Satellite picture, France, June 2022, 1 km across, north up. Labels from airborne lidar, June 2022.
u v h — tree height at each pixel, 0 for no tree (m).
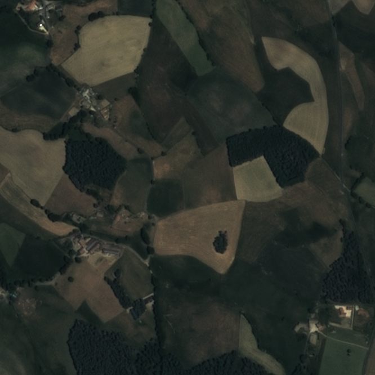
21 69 0
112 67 0
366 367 0
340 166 0
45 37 0
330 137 0
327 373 0
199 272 0
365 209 0
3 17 0
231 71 0
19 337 0
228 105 0
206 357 0
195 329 0
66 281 0
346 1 0
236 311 0
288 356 0
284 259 0
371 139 0
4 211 0
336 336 0
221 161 0
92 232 13
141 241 0
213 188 0
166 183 0
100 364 23
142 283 0
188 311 0
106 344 24
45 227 0
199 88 0
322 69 0
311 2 0
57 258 0
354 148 0
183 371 28
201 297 0
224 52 0
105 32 0
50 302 0
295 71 0
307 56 0
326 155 0
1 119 0
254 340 0
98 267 0
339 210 0
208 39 0
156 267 0
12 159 0
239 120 0
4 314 0
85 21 0
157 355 19
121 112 0
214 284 0
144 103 0
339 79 0
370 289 16
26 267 0
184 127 0
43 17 7
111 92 0
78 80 0
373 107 0
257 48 0
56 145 0
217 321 0
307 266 0
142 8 0
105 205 0
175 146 0
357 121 0
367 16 0
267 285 0
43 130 0
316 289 0
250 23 0
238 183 0
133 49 0
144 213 0
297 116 0
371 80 0
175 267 0
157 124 0
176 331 0
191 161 0
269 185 0
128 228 0
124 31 0
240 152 20
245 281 0
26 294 0
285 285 0
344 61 0
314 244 0
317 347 0
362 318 0
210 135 0
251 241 0
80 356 24
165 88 0
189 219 0
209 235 0
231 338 0
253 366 18
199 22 0
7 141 0
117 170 23
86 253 0
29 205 0
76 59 0
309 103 0
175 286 0
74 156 24
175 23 0
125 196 0
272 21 0
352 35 0
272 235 0
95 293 0
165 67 0
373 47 0
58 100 0
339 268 15
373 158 0
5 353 0
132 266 0
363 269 14
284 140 23
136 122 0
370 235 0
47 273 0
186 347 0
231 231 0
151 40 0
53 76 0
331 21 0
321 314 0
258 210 0
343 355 0
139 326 0
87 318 0
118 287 12
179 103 0
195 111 0
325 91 0
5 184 0
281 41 0
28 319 0
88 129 0
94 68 0
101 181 20
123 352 23
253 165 0
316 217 0
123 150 0
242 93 0
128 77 0
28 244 0
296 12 0
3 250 0
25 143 0
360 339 0
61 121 0
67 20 0
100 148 27
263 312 0
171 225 0
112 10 0
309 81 0
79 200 0
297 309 0
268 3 0
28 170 0
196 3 0
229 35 0
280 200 0
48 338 0
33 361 0
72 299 0
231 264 0
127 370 22
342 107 0
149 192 0
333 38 0
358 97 0
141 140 0
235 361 22
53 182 0
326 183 0
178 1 12
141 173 0
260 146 20
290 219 0
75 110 0
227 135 0
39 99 0
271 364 0
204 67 0
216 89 0
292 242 0
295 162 17
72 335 17
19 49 0
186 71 0
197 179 0
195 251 0
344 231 15
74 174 21
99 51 0
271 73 0
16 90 0
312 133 0
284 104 0
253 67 0
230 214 0
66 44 0
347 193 0
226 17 0
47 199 0
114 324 0
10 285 20
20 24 0
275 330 0
